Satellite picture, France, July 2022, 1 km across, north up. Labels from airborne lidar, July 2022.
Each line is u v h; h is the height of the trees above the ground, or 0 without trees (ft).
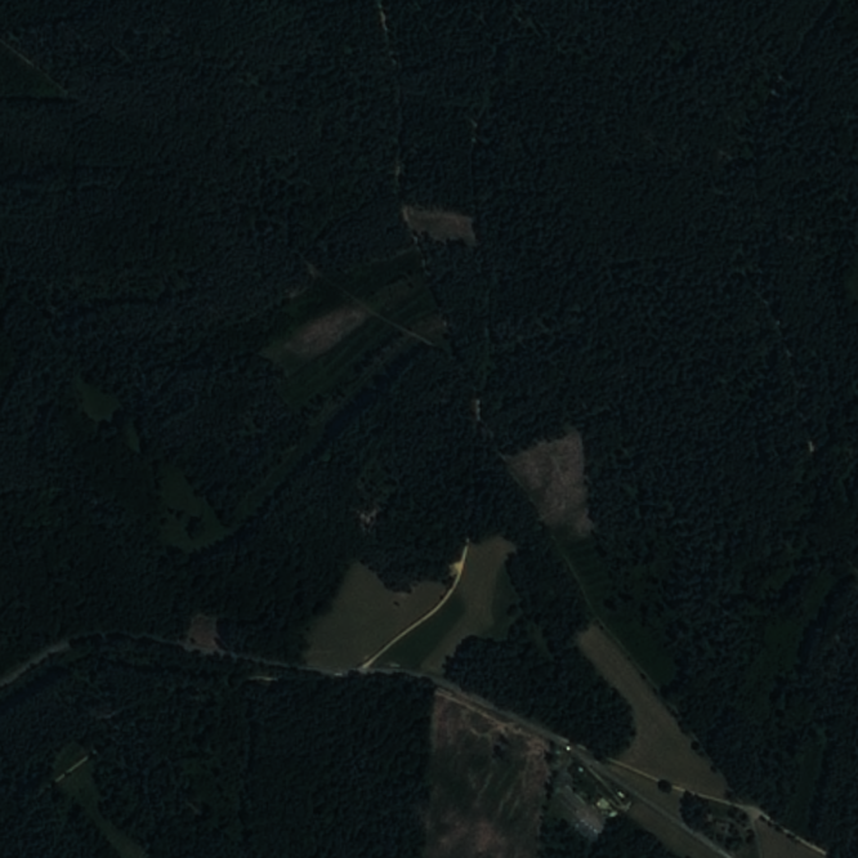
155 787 65
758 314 96
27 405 119
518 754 0
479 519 92
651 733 0
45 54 74
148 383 62
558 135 91
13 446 76
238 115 40
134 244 78
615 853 65
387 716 75
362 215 64
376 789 74
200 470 64
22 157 58
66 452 90
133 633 57
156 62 56
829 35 75
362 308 0
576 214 76
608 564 32
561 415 73
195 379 84
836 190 59
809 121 100
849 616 52
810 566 69
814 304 96
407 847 52
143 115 58
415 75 66
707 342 84
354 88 62
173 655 70
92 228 60
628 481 64
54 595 37
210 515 0
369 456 104
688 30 92
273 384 55
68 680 96
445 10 70
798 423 77
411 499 44
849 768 72
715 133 86
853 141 113
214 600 51
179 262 57
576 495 0
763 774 68
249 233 71
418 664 0
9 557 44
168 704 62
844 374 97
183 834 63
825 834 65
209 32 73
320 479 50
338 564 34
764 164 104
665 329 97
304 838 63
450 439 85
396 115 58
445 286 91
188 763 61
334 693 38
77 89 57
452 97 92
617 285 79
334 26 73
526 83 73
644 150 87
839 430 91
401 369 85
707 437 66
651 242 88
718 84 103
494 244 74
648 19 92
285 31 74
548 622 55
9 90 18
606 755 58
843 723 74
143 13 80
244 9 74
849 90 105
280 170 56
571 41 85
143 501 106
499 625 0
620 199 94
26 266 82
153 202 68
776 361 82
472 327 68
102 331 73
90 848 76
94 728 70
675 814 0
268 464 46
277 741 56
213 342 31
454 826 0
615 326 91
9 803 83
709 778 0
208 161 75
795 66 107
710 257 75
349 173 65
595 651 0
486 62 58
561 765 0
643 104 84
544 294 64
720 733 69
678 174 92
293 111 39
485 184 60
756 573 55
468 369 79
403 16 56
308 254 86
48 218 73
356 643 0
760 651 22
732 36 95
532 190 69
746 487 87
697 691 49
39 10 36
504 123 89
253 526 64
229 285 48
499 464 86
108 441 92
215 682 70
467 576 0
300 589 66
